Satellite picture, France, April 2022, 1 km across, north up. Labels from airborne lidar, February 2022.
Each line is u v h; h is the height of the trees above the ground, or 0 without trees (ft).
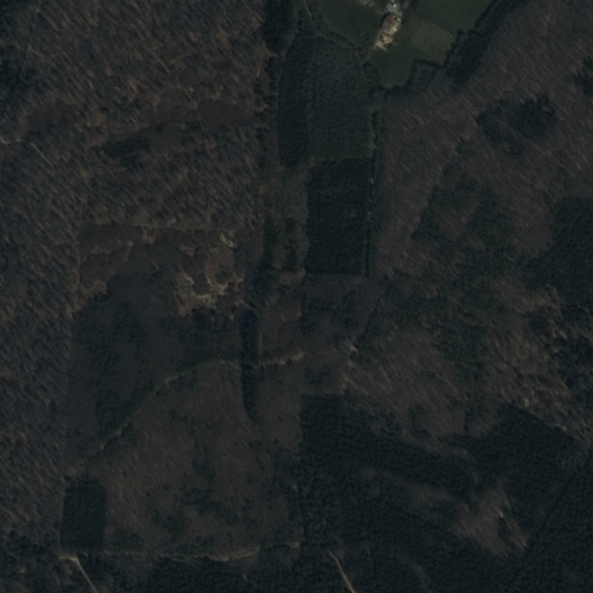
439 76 83
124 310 48
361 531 82
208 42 103
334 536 108
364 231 21
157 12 101
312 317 40
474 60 40
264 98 24
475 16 0
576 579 86
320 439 76
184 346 44
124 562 78
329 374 40
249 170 111
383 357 57
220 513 45
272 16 36
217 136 25
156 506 40
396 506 68
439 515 59
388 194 0
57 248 0
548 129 61
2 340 113
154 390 49
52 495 92
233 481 44
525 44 79
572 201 39
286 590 77
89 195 90
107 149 21
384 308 64
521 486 97
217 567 59
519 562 95
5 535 77
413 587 75
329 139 56
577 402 22
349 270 18
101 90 92
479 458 70
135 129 84
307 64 39
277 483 48
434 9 0
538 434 91
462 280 40
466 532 69
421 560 68
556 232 42
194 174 94
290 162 40
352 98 52
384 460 75
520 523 85
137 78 98
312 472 102
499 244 54
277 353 22
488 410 58
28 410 116
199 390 52
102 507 56
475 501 73
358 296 56
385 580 61
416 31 0
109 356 57
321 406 88
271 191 24
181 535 50
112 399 49
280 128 39
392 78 0
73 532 57
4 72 113
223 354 55
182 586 86
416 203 0
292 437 49
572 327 56
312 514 106
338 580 79
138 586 84
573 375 53
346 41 39
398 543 69
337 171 30
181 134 23
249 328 45
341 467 75
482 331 61
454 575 76
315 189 21
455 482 82
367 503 71
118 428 57
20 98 114
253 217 106
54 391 104
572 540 106
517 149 53
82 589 72
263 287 117
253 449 54
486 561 83
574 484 73
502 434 84
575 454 58
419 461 97
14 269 96
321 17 26
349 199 26
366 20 0
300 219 0
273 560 36
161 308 0
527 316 49
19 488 94
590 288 30
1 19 112
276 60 45
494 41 62
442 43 0
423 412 67
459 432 55
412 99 90
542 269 49
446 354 60
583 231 43
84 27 96
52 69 0
